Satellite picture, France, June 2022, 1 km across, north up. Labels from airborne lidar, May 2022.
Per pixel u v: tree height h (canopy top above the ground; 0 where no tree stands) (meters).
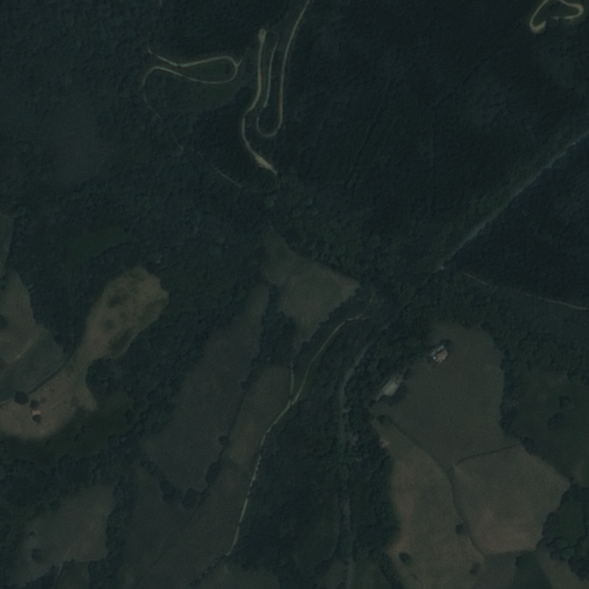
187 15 15
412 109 23
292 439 10
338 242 26
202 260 9
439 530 0
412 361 19
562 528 0
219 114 18
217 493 0
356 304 8
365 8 21
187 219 17
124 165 9
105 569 18
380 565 20
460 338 0
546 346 27
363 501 0
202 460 0
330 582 0
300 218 27
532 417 0
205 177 23
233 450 0
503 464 0
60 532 0
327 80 13
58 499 28
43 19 10
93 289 16
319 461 16
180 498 14
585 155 16
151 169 9
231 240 20
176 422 0
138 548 0
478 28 16
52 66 8
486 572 0
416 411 0
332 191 14
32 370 0
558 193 12
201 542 0
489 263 13
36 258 16
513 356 26
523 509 0
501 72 19
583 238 16
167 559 0
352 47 11
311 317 0
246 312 15
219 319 21
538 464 0
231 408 0
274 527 24
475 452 0
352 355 19
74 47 6
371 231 15
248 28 9
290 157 19
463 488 0
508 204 15
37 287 20
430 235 21
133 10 22
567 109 17
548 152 17
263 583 0
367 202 16
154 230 14
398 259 29
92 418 0
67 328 10
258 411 0
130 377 12
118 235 0
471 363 0
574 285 11
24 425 0
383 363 18
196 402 0
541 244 20
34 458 0
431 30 14
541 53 15
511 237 17
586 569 10
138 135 16
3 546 23
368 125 23
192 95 9
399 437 0
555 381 0
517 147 21
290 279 0
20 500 28
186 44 12
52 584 12
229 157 21
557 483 0
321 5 12
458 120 17
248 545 16
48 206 21
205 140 21
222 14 11
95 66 10
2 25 15
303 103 10
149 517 0
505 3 17
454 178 19
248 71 10
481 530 0
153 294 0
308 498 23
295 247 21
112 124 10
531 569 0
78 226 16
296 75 17
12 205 14
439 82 7
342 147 22
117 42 13
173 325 6
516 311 13
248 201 11
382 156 22
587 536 10
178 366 17
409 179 15
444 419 0
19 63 11
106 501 0
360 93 21
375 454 18
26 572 0
